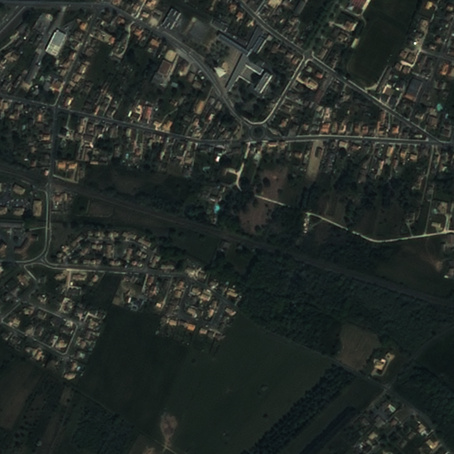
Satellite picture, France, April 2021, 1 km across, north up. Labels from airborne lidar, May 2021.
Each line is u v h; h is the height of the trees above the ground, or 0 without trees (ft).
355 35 29
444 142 0
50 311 0
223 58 49
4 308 0
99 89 21
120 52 0
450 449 0
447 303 0
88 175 0
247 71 0
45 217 0
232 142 0
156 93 0
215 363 0
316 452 60
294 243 61
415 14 20
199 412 0
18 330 0
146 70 21
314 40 44
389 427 0
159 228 0
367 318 22
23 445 24
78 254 21
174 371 0
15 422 0
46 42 0
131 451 0
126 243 0
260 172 30
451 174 26
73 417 0
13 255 0
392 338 54
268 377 0
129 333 0
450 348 0
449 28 0
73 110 0
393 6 0
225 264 48
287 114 0
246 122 0
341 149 31
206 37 0
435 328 26
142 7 0
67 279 0
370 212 33
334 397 30
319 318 24
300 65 0
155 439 0
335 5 35
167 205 44
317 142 0
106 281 0
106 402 0
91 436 19
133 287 0
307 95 24
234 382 0
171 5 0
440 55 0
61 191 0
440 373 0
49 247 0
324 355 48
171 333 0
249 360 0
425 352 0
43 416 0
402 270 0
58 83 0
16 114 0
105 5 0
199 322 0
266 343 0
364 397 0
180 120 27
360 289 38
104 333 0
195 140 0
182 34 0
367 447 32
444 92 32
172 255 37
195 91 39
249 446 0
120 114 0
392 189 57
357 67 0
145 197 51
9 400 0
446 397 41
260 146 0
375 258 24
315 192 43
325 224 0
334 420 0
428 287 0
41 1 0
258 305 49
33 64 0
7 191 0
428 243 0
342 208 0
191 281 0
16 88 34
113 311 0
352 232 27
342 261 23
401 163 20
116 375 0
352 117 0
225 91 0
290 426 46
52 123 35
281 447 38
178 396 0
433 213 0
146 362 0
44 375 0
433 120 0
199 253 0
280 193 24
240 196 56
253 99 53
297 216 26
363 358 0
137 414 0
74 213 0
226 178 0
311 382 0
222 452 0
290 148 0
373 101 18
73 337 0
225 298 0
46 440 0
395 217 0
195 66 0
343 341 0
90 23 0
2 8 55
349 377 41
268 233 43
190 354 0
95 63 0
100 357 0
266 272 73
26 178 0
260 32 0
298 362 0
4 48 0
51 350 0
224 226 62
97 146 24
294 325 44
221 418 0
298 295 67
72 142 19
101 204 0
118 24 44
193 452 0
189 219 31
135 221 0
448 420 27
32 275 0
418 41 0
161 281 29
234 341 0
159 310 0
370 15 0
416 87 0
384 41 0
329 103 30
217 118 23
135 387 0
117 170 30
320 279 40
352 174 26
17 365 0
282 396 0
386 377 0
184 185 0
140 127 0
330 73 0
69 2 0
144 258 22
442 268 0
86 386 0
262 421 0
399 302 38
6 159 56
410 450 0
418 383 43
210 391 0
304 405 32
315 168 0
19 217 0
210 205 41
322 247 20
